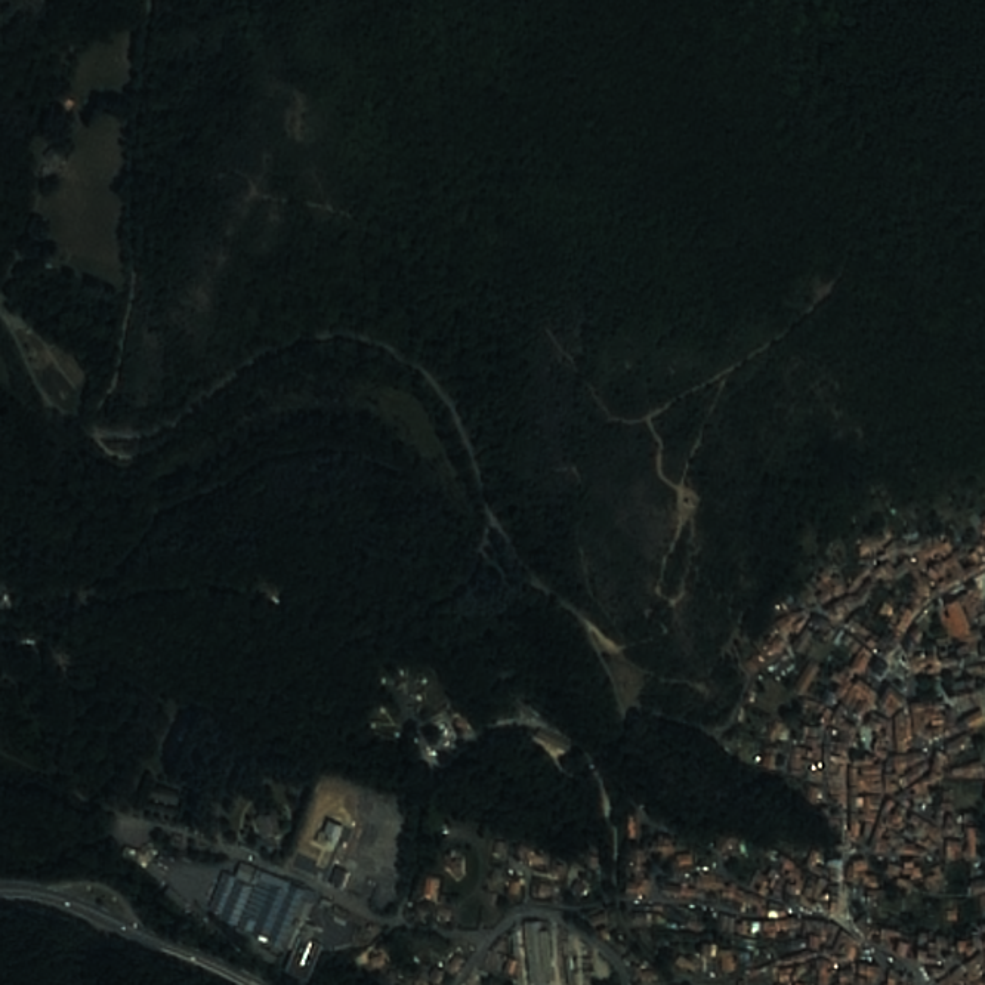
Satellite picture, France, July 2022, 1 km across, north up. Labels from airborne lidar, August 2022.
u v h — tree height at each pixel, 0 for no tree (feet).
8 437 53
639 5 29
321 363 69
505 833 51
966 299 52
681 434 18
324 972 67
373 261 29
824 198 44
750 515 30
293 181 27
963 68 84
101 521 66
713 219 31
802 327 29
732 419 21
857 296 29
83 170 0
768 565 26
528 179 52
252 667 65
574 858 44
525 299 48
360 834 0
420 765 54
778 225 36
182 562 62
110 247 0
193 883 0
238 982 0
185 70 38
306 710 63
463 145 45
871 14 78
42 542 63
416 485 47
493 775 63
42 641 24
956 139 41
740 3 39
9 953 51
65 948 28
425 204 48
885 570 0
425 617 39
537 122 48
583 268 39
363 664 64
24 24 42
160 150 24
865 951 0
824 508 26
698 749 62
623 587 18
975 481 35
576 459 20
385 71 33
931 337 43
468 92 37
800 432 27
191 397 25
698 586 27
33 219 41
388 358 48
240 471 40
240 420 89
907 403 33
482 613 41
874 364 40
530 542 39
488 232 54
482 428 43
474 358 62
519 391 38
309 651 66
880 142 55
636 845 45
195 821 91
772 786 63
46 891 0
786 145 48
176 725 0
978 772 0
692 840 20
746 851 0
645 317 34
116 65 0
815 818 42
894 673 0
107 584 64
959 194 52
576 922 30
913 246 48
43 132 75
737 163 38
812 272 27
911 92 75
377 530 57
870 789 0
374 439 60
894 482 29
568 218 52
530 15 25
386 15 34
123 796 70
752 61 33
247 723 59
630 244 29
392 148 38
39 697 42
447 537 69
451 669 58
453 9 44
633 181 28
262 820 0
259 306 21
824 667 33
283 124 0
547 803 78
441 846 43
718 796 75
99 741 76
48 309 39
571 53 37
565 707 59
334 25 21
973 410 30
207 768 102
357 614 41
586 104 32
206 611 68
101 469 63
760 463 30
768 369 20
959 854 0
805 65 47
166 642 67
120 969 72
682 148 28
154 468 72
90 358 62
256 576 47
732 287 31
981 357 43
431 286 37
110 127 0
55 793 20
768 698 0
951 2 74
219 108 44
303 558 55
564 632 43
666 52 33
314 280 52
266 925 0
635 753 45
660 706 23
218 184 25
